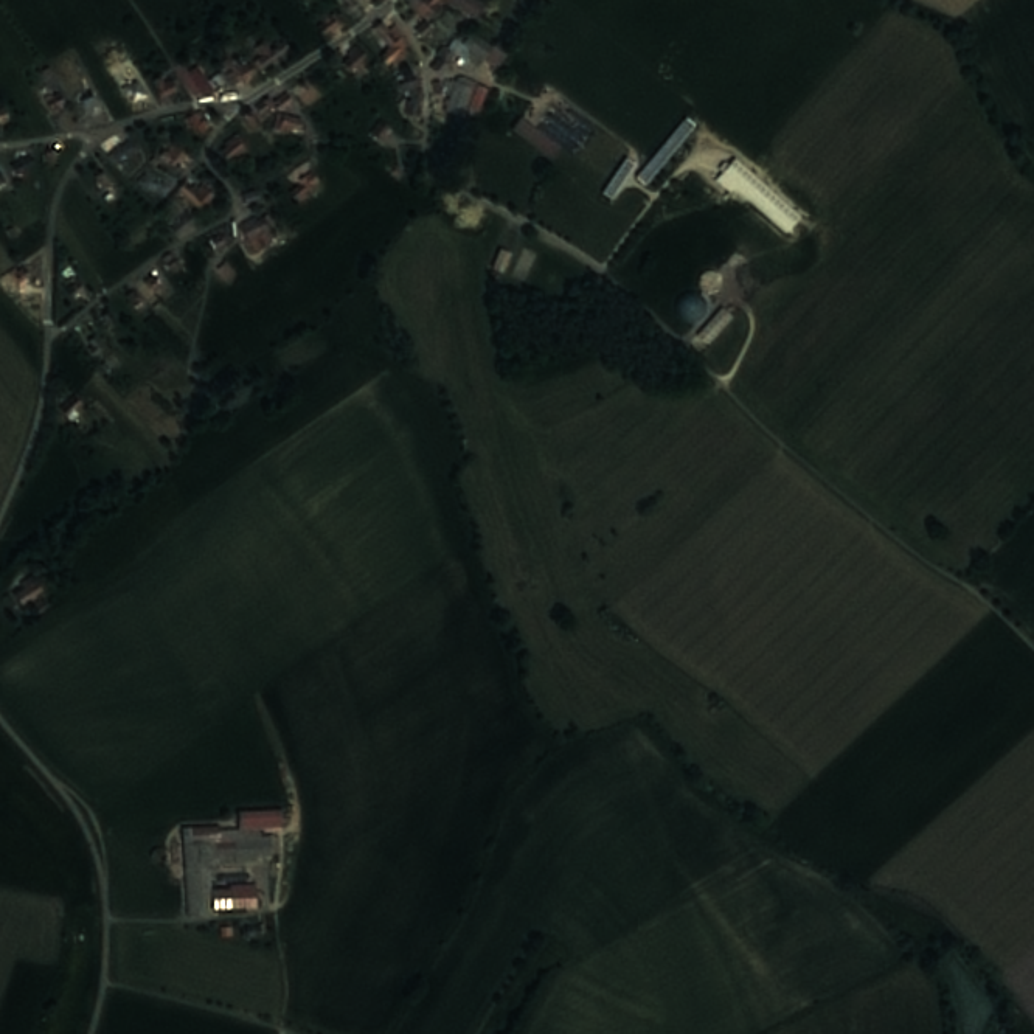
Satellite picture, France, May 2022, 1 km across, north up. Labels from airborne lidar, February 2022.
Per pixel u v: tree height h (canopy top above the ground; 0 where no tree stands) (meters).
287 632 0
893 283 0
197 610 0
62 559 14
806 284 0
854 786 0
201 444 0
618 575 0
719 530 0
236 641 0
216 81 0
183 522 0
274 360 0
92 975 0
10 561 8
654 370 20
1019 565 0
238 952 0
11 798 0
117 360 0
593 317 21
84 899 0
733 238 0
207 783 0
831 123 0
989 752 0
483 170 0
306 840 0
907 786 0
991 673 0
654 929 0
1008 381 0
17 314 0
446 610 0
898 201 0
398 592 0
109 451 0
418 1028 0
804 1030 0
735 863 0
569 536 0
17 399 0
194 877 0
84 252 0
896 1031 0
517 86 0
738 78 0
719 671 0
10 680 0
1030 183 0
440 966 0
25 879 0
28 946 0
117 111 0
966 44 17
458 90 0
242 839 0
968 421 0
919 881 0
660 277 0
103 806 0
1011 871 0
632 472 0
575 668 0
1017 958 0
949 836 0
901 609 0
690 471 0
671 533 0
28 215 0
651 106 0
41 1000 0
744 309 0
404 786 0
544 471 0
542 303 20
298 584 0
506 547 0
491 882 0
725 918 0
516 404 0
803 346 0
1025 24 0
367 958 0
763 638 0
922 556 0
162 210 7
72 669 0
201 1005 0
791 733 0
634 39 0
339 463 0
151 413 0
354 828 0
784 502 0
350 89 0
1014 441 0
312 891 0
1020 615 0
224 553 0
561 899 0
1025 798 0
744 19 0
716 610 0
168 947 0
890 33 0
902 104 0
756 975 0
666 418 0
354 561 0
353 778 0
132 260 0
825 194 0
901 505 0
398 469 0
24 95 0
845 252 0
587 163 0
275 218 11
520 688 0
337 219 0
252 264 0
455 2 0
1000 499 0
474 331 0
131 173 0
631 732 0
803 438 0
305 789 0
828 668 0
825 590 0
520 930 0
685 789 0
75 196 0
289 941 0
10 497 0
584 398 0
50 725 0
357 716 0
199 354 0
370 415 0
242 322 0
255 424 0
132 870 0
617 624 5
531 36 0
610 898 0
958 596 0
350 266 0
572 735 8
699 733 0
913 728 0
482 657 0
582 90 0
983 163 0
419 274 0
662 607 0
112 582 0
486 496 0
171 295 0
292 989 0
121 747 0
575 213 0
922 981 0
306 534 0
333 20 0
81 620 0
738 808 14
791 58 0
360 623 0
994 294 0
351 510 0
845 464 0
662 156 0
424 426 0
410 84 0
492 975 0
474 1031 0
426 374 0
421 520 0
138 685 0
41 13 0
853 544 0
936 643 0
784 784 0
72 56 0
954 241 0
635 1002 0
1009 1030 10
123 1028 0
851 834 0
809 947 0
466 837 0
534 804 0
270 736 0
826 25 0
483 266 0
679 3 0
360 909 0
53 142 0
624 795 0
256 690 0
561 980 0
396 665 0
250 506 0
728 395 0
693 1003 0
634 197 0
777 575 0
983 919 0
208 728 0
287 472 0
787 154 0
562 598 0
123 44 0
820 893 0
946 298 0
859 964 0
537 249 0
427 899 0
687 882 0
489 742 0
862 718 0
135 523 0
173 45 0
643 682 0
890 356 0
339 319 0
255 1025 0
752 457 0
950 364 0
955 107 0
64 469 0
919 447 0
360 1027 0
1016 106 0
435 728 0
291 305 0
